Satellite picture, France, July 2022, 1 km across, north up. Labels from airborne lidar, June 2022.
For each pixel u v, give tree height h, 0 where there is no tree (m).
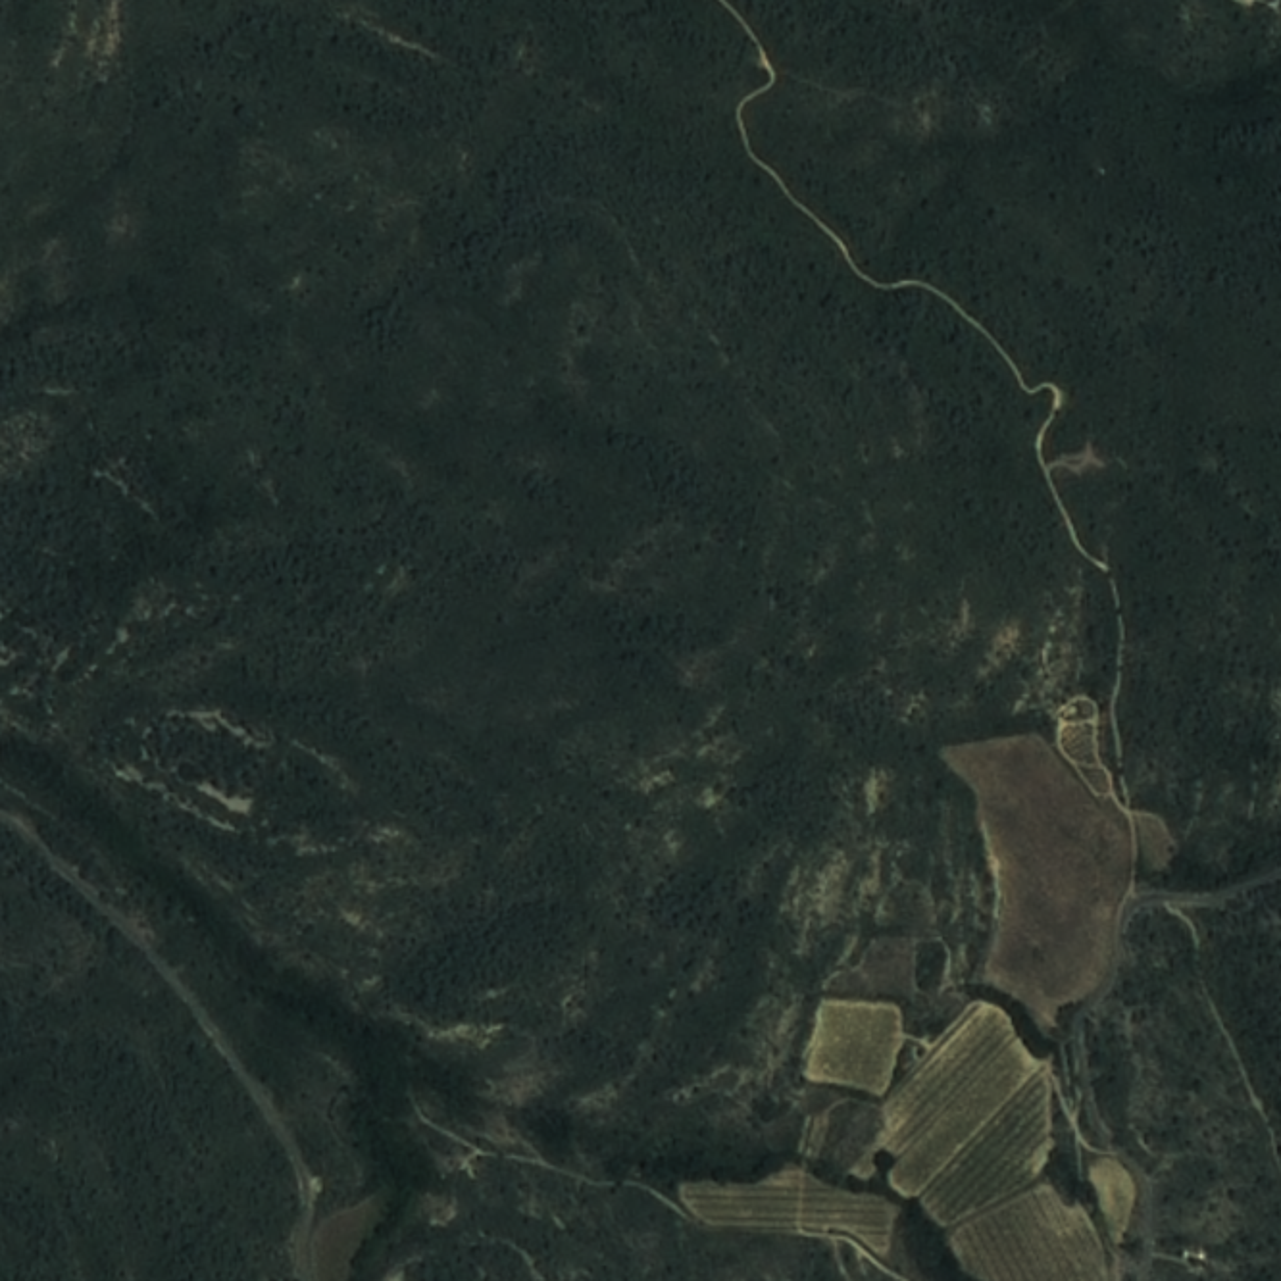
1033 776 0
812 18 7
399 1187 11
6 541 10
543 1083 0
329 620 12
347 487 8
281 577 10
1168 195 6
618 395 0
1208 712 8
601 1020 0
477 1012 8
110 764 0
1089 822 0
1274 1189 7
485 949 7
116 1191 8
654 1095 9
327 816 8
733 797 10
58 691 7
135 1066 12
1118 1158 0
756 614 0
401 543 8
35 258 0
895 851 0
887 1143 0
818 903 0
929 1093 0
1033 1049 9
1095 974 0
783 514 0
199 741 8
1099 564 0
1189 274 9
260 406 8
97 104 6
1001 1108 0
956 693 8
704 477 5
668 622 8
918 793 7
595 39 6
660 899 9
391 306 9
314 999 7
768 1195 0
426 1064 7
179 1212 6
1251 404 0
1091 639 11
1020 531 12
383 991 7
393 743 9
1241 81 8
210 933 6
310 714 8
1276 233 8
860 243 6
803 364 9
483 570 9
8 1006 10
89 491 8
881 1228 0
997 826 0
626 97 6
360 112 7
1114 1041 8
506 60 10
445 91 7
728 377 0
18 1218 9
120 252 0
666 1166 11
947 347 9
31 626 10
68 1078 6
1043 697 0
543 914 11
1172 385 0
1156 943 8
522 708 0
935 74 8
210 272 0
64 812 8
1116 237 10
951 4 11
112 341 10
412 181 0
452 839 7
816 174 8
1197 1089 10
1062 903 0
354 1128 9
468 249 10
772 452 0
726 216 8
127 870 6
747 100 0
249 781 10
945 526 6
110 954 7
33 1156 0
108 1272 7
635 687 6
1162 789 7
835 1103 0
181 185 0
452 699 0
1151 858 0
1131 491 8
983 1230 0
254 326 7
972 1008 0
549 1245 9
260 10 6
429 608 8
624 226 5
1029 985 0
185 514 6
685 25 11
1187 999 0
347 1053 6
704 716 0
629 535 0
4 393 7
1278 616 0
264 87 8
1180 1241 7
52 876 10
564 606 6
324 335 0
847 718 11
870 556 0
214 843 11
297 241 0
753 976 6
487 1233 6
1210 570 0
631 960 8
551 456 0
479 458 0
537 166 7
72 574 7
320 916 6
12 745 9
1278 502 7
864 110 0
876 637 0
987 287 6
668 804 0
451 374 0
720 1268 0
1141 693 6
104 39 0
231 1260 6
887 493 7
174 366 7
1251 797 6
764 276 7
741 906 7
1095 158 0
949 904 0
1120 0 0
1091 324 5
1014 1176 0
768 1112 7
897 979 0
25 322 7
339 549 7
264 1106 0
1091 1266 0
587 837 0
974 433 9
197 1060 13
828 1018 0
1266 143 12
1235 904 7
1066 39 7
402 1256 0
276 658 8
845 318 11
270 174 0
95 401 0
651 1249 0
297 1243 0
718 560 0
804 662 6
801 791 7
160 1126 8
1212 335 0
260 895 8
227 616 12
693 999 8
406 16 7
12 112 0
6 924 7
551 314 0
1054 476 0
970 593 0
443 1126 0
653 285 0
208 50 11
